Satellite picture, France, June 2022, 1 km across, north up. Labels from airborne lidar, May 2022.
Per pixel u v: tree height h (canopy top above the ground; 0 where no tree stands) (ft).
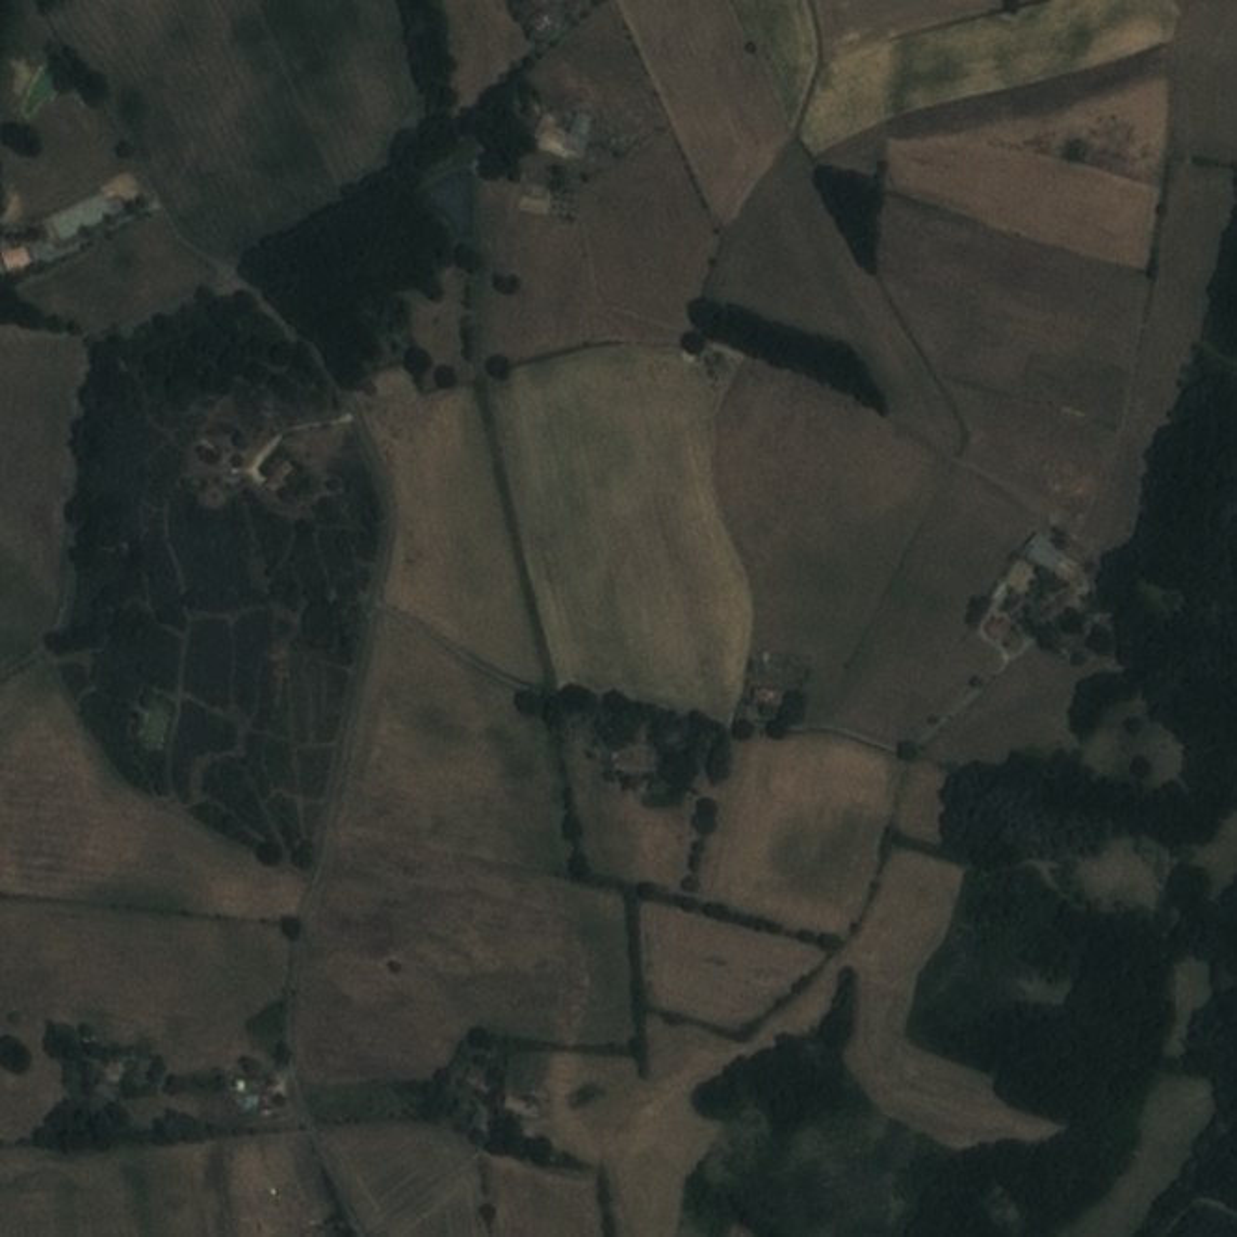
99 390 36
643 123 0
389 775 0
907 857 0
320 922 0
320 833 0
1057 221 0
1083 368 0
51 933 0
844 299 0
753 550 0
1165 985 55
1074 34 0
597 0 21
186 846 0
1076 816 52
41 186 0
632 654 0
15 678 0
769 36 0
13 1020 24
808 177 0
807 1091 24
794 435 0
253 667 0
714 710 0
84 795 0
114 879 0
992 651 0
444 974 0
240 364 45
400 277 69
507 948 0
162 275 0
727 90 0
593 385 0
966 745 0
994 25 0
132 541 21
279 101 0
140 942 0
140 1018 0
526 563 0
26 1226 0
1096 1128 47
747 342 62
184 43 0
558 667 0
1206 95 0
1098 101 0
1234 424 60
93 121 0
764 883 0
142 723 39
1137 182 0
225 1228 0
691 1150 0
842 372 50
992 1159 41
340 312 39
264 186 0
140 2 0
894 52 0
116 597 34
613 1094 0
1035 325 0
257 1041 0
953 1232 60
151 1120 0
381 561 0
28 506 0
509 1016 0
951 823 54
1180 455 65
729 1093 44
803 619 0
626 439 0
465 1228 0
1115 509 0
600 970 0
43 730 0
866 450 0
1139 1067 39
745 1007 0
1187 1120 0
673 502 0
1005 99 0
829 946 43
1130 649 58
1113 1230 0
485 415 0
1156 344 0
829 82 0
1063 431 0
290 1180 0
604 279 0
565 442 0
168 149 0
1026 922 22
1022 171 0
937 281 0
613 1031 0
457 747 0
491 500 0
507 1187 0
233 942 0
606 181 0
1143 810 62
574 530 0
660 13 0
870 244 54
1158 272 29
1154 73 0
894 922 0
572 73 0
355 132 0
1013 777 66
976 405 0
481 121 76
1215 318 23
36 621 0
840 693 0
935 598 0
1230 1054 51
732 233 0
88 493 33
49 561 0
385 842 0
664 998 0
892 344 0
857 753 0
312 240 68
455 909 0
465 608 0
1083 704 57
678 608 0
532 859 0
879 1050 0
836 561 0
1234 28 0
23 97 0
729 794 0
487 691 0
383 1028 0
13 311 48
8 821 0
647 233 0
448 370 47
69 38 0
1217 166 20
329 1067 0
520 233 0
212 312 36
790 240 0
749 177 0
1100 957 58
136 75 0
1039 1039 72
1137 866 0
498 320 0
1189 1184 44
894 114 0
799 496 0
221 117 0
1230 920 51
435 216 65
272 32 0
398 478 0
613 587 0
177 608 24
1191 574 75
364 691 0
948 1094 0
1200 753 53
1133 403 0
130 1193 0
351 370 57
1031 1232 40
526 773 0
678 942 0
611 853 0
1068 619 39
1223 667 61
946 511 0
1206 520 57
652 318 0
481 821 0
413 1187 0
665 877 0
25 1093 0
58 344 0
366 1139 0
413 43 43
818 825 0
